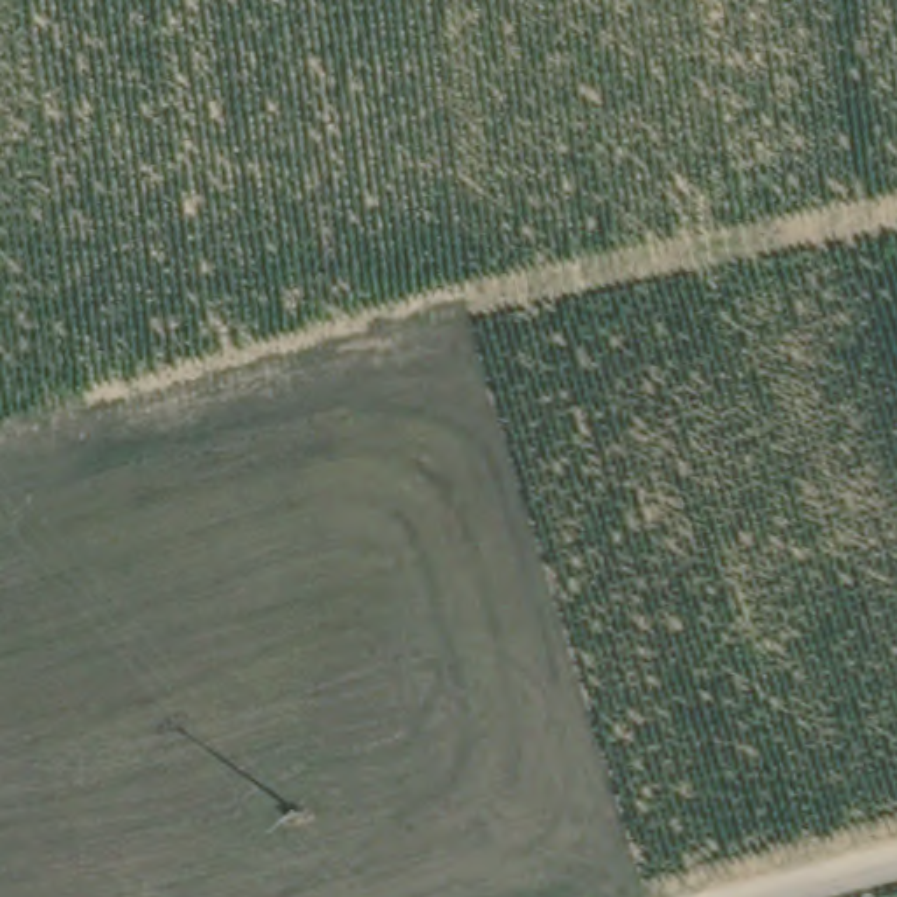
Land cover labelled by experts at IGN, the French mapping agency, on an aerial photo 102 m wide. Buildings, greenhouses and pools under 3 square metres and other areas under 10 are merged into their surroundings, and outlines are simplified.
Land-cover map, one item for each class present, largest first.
<instances>
[{"label":"vineyard","instance_id":"1","mask_svg":"<svg viewBox=\"0 0 897 897\"><path fill-rule=\"evenodd\" d=\"M445 301H466L477 312L470 319V340L480 354V371L487 389L494 392V406L505 427L508 459L519 480V505L533 519V533L543 547V564L557 571L554 596L561 603V620L575 645L578 680L592 697V743L610 767L606 788L620 799V823L641 844L645 876L652 879L648 897H687L704 893L718 883L757 879L820 858L848 855L865 844L897 841V0H0V420L28 413L53 392L84 389L88 403L130 399L231 364H249L266 354H294L333 336L361 333L375 319H406Z\"/></svg>","mask_w":897,"mask_h":897},{"label":"agricultural land","instance_id":"2","mask_svg":"<svg viewBox=\"0 0 897 897\"><path fill-rule=\"evenodd\" d=\"M477 312L466 301H445L406 319H375L361 333L333 336L294 354H266L249 364H231L130 399L88 403L84 389L53 392L28 413L0 420V897H648L652 879L645 876L641 844L620 823V799L606 788L610 767L592 743V697L578 680L575 645L561 620V603L554 596L557 571L543 564V547L533 533V519L519 505V480L508 459L505 427L494 406V392L487 389L480 371V354L470 340V319Z\"/></svg>","mask_w":897,"mask_h":897},{"label":"pervious surface","instance_id":"3","mask_svg":"<svg viewBox=\"0 0 897 897\"><path fill-rule=\"evenodd\" d=\"M687 897H897V841L865 844L848 855L820 858L757 879L718 883L704 893Z\"/></svg>","mask_w":897,"mask_h":897}]
</instances>
